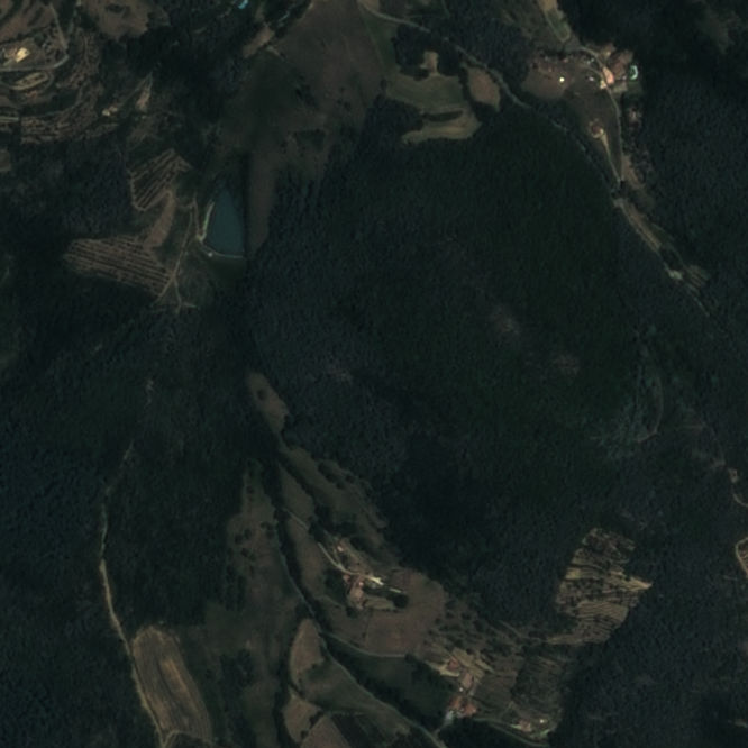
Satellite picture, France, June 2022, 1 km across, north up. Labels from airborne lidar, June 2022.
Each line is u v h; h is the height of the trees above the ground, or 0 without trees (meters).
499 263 12
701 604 15
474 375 13
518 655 8
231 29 14
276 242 12
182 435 7
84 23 7
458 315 10
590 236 16
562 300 13
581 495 17
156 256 0
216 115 9
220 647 0
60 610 8
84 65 6
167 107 6
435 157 12
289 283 15
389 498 13
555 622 8
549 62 0
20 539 26
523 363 7
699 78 10
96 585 11
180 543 9
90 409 16
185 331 12
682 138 6
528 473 10
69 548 25
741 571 12
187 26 6
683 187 18
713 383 18
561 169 11
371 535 0
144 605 5
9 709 21
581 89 0
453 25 8
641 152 6
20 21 0
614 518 6
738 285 15
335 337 15
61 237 10
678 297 9
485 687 0
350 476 9
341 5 0
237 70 15
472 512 9
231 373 9
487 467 14
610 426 6
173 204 0
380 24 0
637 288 21
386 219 14
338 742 0
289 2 6
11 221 16
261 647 0
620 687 9
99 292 9
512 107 12
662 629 12
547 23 6
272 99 0
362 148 9
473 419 9
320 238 13
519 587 14
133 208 11
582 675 9
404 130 11
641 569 13
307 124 0
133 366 19
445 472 11
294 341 10
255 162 0
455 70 10
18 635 7
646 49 7
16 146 8
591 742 5
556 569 9
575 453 7
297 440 17
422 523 11
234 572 17
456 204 11
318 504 8
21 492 26
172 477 11
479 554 12
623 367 9
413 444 10
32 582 9
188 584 7
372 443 13
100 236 9
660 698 10
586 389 9
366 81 0
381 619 0
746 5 8
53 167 14
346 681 0
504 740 9
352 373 7
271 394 0
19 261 9
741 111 21
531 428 8
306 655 0
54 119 6
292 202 16
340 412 19
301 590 8
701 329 13
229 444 14
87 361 17
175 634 0
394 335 10
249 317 15
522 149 16
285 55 6
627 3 18
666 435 10
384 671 0
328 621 8
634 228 17
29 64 0
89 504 16
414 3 0
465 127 0
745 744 10
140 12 0
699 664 16
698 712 13
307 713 0
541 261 13
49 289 7
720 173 15
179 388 13
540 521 14
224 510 10
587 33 10
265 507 0
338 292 18
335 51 0
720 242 11
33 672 16
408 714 15
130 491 6
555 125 10
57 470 26
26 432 20
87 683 14
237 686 16
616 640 12
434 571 9
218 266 0
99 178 13
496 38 15
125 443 14
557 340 9
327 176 6
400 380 13
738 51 7
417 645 0
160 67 11
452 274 7
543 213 10
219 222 0
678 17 19
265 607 0
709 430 9
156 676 0
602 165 15
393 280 6
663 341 11
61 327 12
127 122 8
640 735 6
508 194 12
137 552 12
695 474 7
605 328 12
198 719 0
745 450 12
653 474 16
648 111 10
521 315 9
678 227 16
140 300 7
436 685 7
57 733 16
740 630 8
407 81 0
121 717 16
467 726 14
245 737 13
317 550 0
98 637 8
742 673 6
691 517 7
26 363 12
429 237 9
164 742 0
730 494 11
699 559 11
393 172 15
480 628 10
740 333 13
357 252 9
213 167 0
